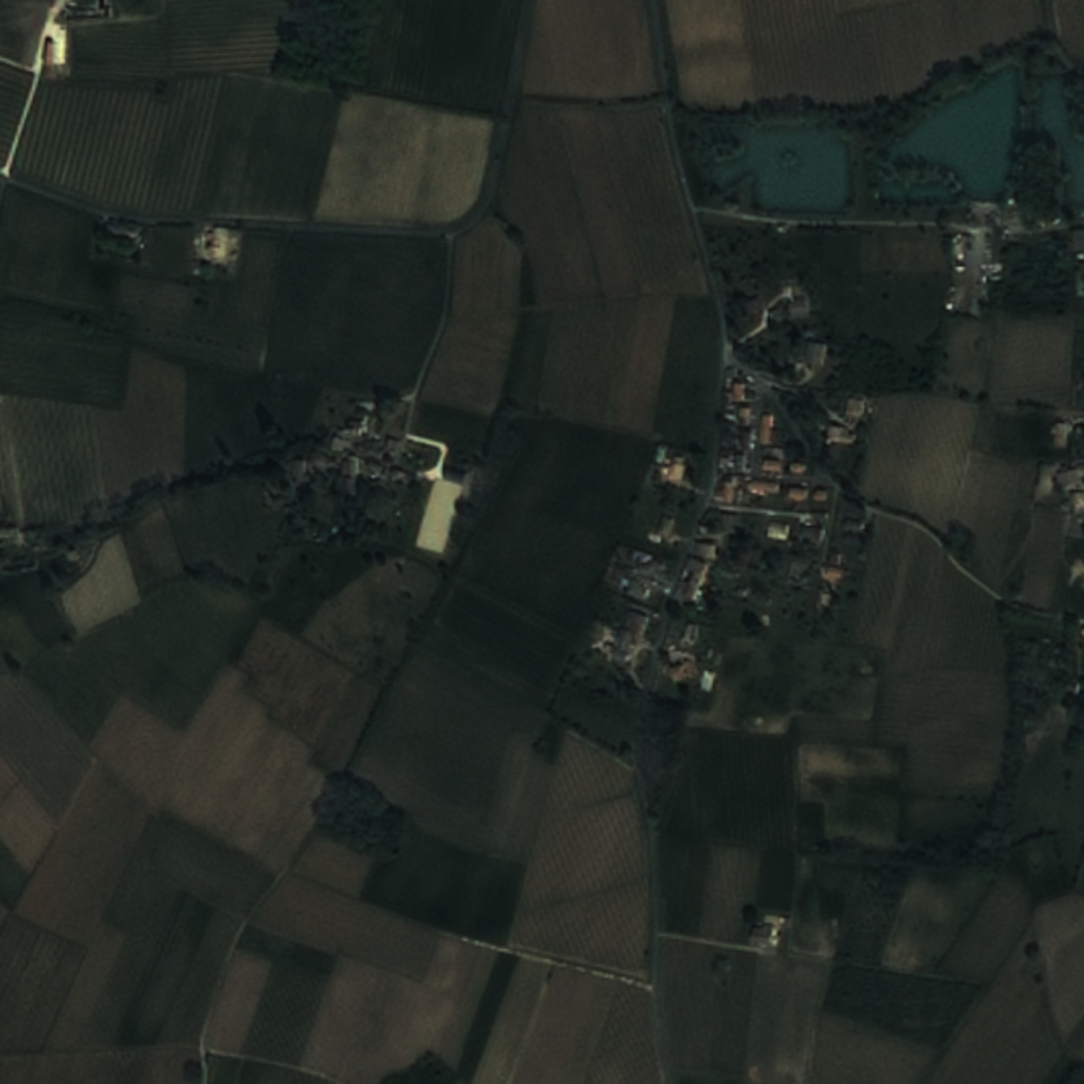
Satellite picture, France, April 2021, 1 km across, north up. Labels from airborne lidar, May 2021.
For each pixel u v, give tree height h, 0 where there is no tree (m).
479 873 0
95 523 11
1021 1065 0
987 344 0
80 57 0
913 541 0
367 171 0
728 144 24
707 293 0
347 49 20
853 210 9
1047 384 0
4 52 0
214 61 0
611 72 0
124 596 0
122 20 0
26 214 0
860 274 0
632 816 0
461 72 0
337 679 0
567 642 0
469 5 0
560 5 0
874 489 0
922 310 0
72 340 0
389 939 0
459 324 0
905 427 0
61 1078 0
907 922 0
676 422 0
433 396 0
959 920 0
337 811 18
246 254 0
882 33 0
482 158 0
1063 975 0
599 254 0
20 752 0
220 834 0
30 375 0
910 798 0
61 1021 0
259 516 0
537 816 0
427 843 0
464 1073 0
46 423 0
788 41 0
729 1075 0
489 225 0
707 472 0
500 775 0
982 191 0
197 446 0
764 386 0
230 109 0
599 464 0
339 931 0
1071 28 0
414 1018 0
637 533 0
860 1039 0
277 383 0
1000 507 0
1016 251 7
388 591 0
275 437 28
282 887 0
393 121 0
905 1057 0
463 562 0
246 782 0
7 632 0
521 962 0
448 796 0
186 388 0
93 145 0
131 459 0
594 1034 0
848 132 14
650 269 0
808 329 7
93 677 0
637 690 14
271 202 0
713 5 0
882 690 0
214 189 0
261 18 0
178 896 0
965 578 0
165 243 0
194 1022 0
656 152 0
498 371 0
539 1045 0
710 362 0
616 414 0
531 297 0
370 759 0
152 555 0
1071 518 0
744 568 8
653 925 0
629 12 0
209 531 0
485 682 0
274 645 0
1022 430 0
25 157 0
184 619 0
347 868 0
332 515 0
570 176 0
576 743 0
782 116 17
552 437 0
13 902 0
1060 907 0
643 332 0
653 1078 0
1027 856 0
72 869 0
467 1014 0
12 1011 0
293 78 18
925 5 0
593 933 0
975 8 0
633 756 11
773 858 0
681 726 15
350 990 0
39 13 0
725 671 0
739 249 7
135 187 0
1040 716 18
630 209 0
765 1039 0
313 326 0
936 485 0
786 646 0
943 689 0
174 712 0
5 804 0
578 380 0
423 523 0
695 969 0
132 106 0
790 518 0
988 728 0
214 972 0
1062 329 0
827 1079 0
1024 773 11
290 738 0
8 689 0
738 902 0
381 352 0
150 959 0
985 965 0
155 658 0
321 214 0
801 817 0
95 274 0
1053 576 0
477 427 0
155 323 0
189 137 0
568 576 0
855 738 0
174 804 0
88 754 0
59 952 0
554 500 0
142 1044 0
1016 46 11
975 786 0
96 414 0
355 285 0
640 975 0
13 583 0
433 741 0
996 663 0
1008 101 0
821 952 0
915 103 12
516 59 0
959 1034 0
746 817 0
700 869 0
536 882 0
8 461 0
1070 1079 10
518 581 0
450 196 0
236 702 0
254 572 0
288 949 0
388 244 0
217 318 0
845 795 0
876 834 0
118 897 0
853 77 0
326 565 0
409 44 0
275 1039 0
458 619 0
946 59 0
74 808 0
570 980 0
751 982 0
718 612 18
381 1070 0
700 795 0
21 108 0
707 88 0
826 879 0
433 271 0
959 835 0
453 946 0
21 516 0
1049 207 18
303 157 0
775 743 0
